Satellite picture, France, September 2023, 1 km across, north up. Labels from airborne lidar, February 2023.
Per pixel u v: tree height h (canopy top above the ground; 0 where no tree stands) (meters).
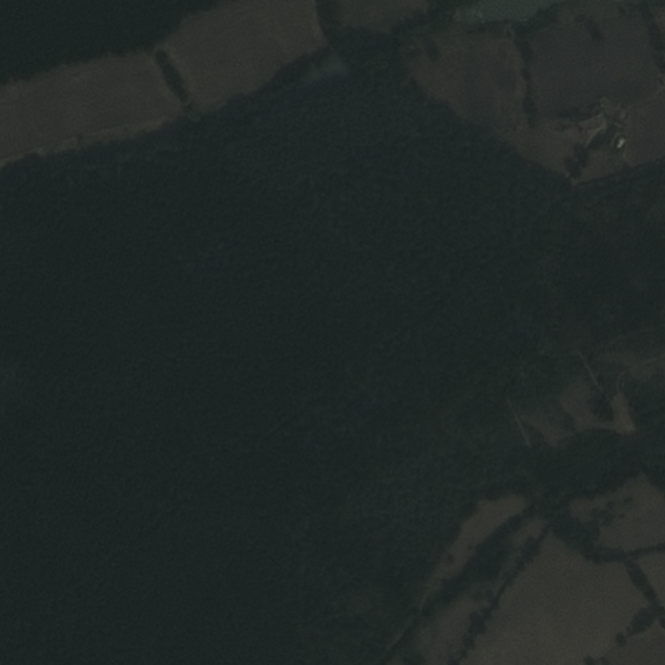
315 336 26
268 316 25
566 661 0
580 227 13
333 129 20
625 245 14
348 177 26
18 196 24
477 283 32
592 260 11
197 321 25
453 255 30
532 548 16
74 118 0
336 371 25
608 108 0
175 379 26
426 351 31
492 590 0
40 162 19
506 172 28
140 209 28
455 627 0
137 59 0
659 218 11
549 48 0
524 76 13
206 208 23
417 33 0
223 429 26
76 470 26
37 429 28
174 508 24
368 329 25
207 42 0
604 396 7
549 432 0
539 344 16
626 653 0
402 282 26
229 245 24
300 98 19
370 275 26
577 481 19
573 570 0
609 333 13
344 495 18
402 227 33
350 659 19
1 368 18
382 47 26
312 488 25
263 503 23
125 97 0
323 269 28
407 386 30
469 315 31
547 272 18
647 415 8
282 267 27
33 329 23
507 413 9
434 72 0
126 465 25
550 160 0
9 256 19
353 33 18
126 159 18
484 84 0
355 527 17
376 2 0
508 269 31
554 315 16
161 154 26
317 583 23
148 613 29
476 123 0
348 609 15
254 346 27
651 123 0
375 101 15
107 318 25
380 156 29
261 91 11
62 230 25
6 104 0
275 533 28
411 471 14
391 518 23
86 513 26
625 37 0
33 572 28
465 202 31
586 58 0
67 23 23
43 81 0
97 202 27
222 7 0
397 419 28
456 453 17
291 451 25
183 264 22
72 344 23
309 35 0
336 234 27
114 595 29
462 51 0
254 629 27
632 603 0
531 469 15
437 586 0
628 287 15
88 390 27
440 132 29
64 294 22
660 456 22
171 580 28
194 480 23
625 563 11
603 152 0
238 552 28
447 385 23
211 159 28
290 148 18
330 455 26
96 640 26
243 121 18
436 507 13
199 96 0
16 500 25
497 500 0
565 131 0
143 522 23
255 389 27
